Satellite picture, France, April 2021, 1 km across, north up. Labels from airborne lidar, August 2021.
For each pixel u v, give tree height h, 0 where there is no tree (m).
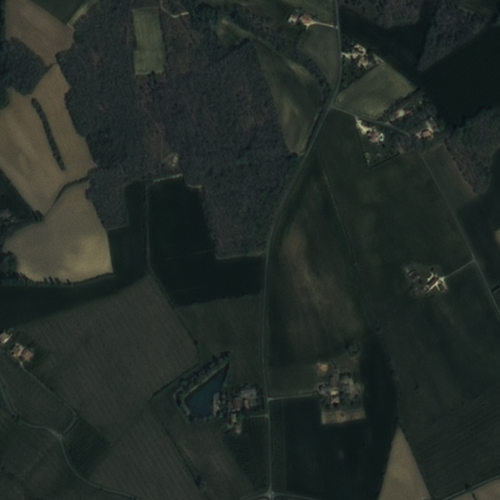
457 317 0
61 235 0
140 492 0
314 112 0
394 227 0
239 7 13
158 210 0
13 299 0
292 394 0
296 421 0
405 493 0
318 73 16
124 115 20
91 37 16
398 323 0
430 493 0
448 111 0
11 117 0
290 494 0
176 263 0
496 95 0
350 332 0
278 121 13
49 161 0
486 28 0
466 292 0
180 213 0
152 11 0
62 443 0
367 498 0
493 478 0
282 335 0
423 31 0
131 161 16
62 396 0
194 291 0
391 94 0
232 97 10
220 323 0
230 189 19
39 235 0
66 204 0
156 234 0
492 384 0
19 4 0
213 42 7
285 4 0
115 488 0
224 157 17
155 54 0
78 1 0
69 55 16
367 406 0
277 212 22
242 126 8
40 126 0
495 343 0
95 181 16
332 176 0
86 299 0
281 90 0
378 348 0
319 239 0
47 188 0
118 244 0
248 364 0
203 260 0
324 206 0
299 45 10
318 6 0
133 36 5
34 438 0
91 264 0
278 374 0
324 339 0
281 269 0
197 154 12
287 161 17
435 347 0
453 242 0
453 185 0
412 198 0
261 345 0
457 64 0
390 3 14
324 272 0
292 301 0
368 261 0
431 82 0
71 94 14
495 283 0
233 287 0
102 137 9
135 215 0
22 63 18
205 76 11
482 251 0
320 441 0
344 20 0
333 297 0
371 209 0
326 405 7
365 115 0
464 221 0
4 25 19
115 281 0
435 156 0
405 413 0
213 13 25
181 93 14
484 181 16
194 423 19
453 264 0
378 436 0
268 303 0
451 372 0
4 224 11
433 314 0
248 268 0
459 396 0
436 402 0
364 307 0
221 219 15
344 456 0
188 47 7
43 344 0
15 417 9
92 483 0
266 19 8
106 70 15
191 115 16
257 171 17
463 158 16
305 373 0
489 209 0
